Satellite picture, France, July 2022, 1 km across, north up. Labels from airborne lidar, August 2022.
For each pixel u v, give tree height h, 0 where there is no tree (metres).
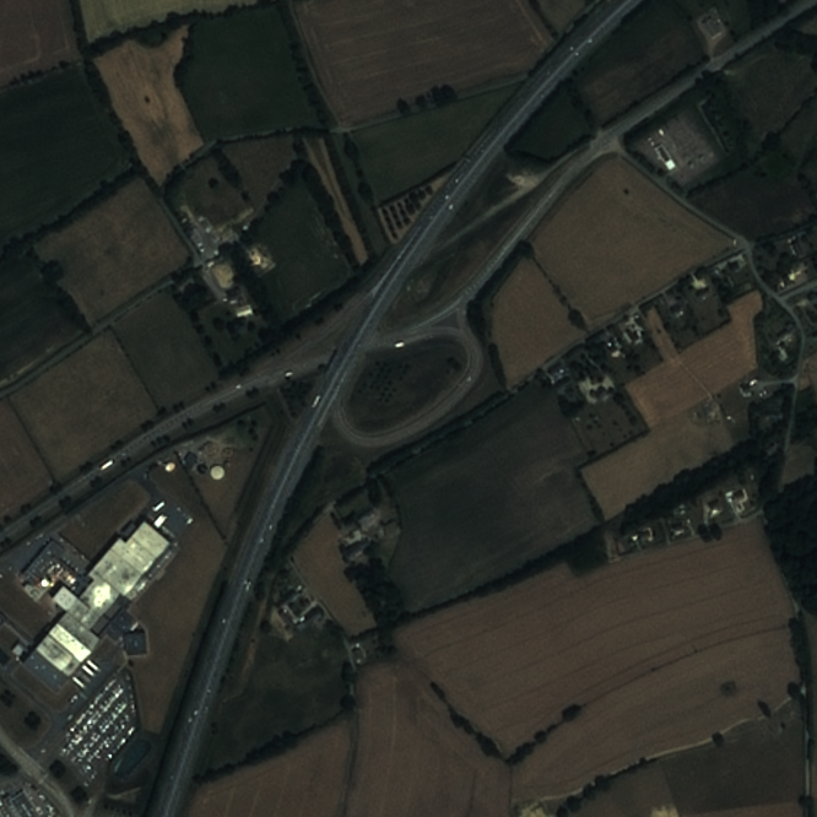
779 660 0
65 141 0
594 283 0
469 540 0
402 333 0
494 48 0
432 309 0
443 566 0
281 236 0
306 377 0
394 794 0
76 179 0
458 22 0
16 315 0
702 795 0
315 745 0
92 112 0
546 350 0
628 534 7
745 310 0
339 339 0
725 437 0
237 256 18
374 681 0
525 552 0
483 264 0
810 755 7
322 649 0
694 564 0
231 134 0
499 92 0
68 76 0
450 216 0
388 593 13
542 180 0
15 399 0
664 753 0
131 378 0
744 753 0
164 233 0
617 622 0
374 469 14
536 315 0
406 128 0
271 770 0
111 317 0
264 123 0
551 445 0
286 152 0
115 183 10
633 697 0
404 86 0
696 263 0
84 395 0
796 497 22
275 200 16
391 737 0
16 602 0
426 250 0
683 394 0
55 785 0
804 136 0
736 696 0
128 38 7
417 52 0
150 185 13
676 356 0
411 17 0
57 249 0
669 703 0
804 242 6
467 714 0
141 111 0
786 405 9
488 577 0
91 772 0
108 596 0
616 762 0
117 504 0
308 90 16
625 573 0
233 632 0
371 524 0
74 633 0
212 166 0
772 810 0
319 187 18
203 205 0
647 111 0
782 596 0
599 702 0
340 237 15
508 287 0
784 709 0
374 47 0
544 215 0
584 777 0
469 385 0
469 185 0
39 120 0
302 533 11
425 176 0
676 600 0
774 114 0
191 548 0
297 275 0
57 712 0
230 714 0
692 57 0
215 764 0
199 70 0
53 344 0
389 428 0
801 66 0
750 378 0
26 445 0
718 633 0
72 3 14
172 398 0
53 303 0
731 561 0
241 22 0
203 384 0
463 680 0
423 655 0
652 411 0
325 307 13
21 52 0
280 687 0
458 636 0
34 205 0
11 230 0
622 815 0
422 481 0
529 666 0
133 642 0
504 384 10
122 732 0
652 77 0
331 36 0
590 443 0
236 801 0
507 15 0
